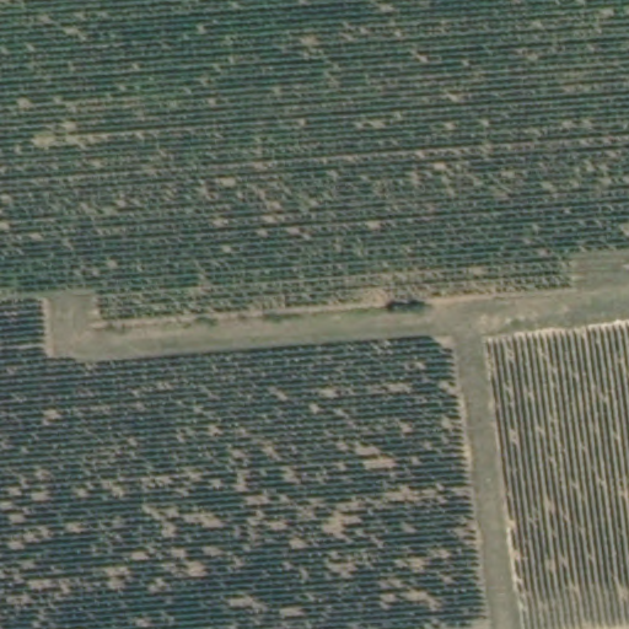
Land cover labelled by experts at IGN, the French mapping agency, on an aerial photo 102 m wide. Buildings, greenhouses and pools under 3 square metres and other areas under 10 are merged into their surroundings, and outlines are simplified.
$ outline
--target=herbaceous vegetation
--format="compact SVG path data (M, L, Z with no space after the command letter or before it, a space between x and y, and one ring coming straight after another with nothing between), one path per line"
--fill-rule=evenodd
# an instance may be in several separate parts
M452 381L440 381L440 388L455 396L459 418L442 418L442 428L459 430L464 486L455 486L455 496L469 499L469 516L459 516L455 536L462 543L472 545L477 553L474 572L482 597L482 612L479 619L469 627L445 624L440 629L528 629L526 590L516 570L521 553L514 545L516 521L509 514L506 484L501 474L496 400L491 391L496 366L494 356L489 354L489 342L479 339L479 329L499 329L499 334L509 334L518 329L577 327L607 319L629 322L629 253L622 248L575 251L570 260L560 260L560 273L570 275L570 287L563 290L521 292L504 280L491 280L484 287L489 302L450 307L405 307L403 302L393 300L383 307L356 307L361 302L359 290L349 295L346 302L329 300L327 305L287 307L283 322L268 322L256 307L238 312L209 310L204 324L199 324L197 317L187 312L172 317L103 319L98 310L98 295L91 287L64 287L44 292L39 302L44 329L42 351L47 356L69 356L76 361L113 361L162 354L381 337L432 337L440 346L450 349Z

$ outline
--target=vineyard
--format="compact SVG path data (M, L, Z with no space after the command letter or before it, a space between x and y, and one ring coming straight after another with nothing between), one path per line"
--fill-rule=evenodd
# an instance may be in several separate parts
M504 280L521 292L563 290L570 287L570 275L560 273L560 260L570 260L575 251L622 248L629 253L629 0L0 0L0 629L440 629L445 624L469 627L479 619L482 612L482 597L474 572L477 553L472 545L462 543L455 536L459 516L469 516L469 499L455 496L455 486L464 486L459 430L442 428L442 418L459 418L455 396L440 388L440 381L452 381L450 349L440 346L432 337L381 337L162 354L113 361L76 361L69 356L47 356L42 351L44 329L39 302L44 292L64 287L91 287L98 295L98 310L103 319L172 317L187 312L197 317L199 324L204 324L209 310L238 312L256 307L268 322L283 322L287 307L327 305L329 300L346 302L349 295L359 290L361 302L356 307L383 307L393 300L403 302L405 307L450 307L489 302L484 287L491 280Z
M496 366L491 391L496 400L501 474L506 484L509 514L516 521L514 545L521 553L516 570L526 590L528 629L629 629L629 322L607 319L577 327L518 329L509 334L499 334L499 329L479 329L479 339L489 342L489 354L494 356Z

